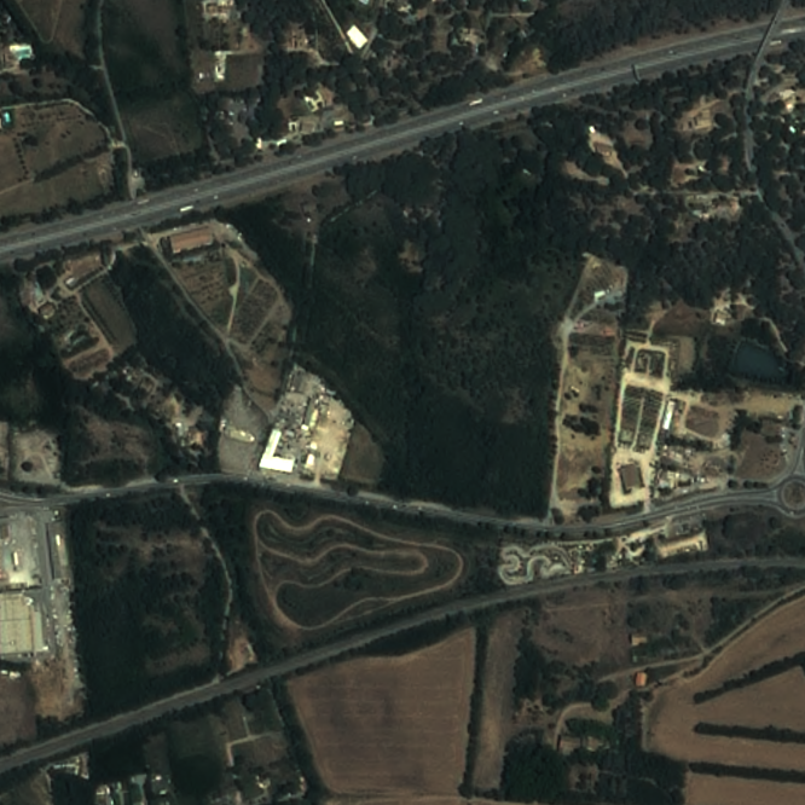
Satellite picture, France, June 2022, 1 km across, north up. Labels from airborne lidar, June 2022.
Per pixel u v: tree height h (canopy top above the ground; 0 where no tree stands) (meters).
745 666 0
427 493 10
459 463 12
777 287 7
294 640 0
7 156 0
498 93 0
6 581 0
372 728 0
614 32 13
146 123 0
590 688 11
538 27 12
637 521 0
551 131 16
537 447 9
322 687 0
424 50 10
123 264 10
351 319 8
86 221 0
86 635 9
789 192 10
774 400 0
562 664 8
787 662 11
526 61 0
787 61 10
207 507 16
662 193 9
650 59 0
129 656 8
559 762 25
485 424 10
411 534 0
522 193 10
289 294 13
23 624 0
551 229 9
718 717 0
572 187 10
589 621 0
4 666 11
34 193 0
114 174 9
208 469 16
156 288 9
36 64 11
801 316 12
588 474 0
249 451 0
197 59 0
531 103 0
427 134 0
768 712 0
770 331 9
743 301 0
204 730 0
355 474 0
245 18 12
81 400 12
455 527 11
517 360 7
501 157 13
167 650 7
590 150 9
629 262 17
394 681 0
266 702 16
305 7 7
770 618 0
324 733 0
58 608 0
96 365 0
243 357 0
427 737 0
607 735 13
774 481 0
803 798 0
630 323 12
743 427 6
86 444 7
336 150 0
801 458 0
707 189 11
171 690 10
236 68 0
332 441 0
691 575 9
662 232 15
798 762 0
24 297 0
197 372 16
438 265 9
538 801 19
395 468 10
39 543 0
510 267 10
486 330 10
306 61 11
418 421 11
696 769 15
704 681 0
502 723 0
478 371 13
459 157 14
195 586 12
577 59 11
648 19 12
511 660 0
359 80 16
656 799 7
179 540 0
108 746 12
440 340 8
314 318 7
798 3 12
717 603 10
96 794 15
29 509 0
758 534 0
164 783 0
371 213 0
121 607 10
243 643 0
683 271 7
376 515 10
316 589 0
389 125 10
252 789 0
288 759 6
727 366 9
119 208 0
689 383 11
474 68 13
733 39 0
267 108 15
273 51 12
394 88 10
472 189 13
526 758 15
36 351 11
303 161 0
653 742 0
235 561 15
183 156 9
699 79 6
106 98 10
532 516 13
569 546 6
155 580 13
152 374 7
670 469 8
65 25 0
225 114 7
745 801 0
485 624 7
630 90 9
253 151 8
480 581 12
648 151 9
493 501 10
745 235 12
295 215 6
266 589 0
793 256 8
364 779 0
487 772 0
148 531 10
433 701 0
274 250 10
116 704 6
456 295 7
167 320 10
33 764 10
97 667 8
